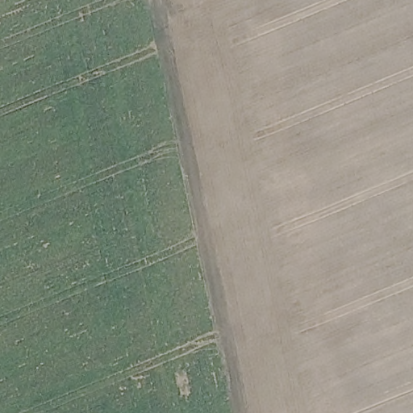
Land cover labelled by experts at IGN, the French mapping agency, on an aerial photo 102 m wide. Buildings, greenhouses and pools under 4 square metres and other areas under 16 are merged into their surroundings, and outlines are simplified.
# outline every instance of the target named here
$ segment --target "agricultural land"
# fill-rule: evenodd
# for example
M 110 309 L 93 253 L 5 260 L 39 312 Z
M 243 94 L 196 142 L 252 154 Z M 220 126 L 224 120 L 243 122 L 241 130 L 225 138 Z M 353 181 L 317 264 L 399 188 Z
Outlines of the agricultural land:
M 413 413 L 413 0 L 0 0 L 0 413 Z

